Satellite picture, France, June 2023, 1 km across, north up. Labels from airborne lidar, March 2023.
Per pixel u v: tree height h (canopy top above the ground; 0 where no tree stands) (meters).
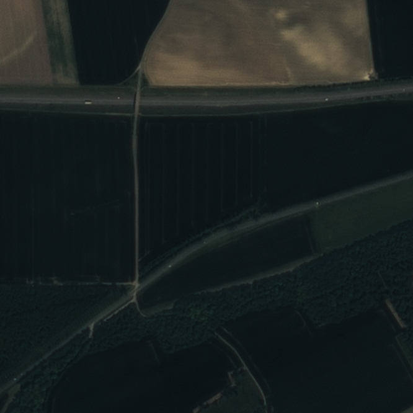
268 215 0
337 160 0
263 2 0
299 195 0
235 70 0
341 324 0
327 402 0
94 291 15
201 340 11
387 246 19
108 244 0
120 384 0
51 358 9
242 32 0
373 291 23
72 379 0
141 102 0
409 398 0
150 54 0
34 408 17
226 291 16
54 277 0
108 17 0
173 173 0
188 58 0
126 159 0
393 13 0
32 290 16
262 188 0
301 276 20
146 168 0
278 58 0
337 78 0
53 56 0
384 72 0
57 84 0
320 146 0
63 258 0
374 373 0
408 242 19
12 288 20
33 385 18
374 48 0
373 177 0
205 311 8
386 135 0
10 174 0
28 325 20
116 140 0
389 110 0
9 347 22
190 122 0
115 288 24
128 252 0
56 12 0
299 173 0
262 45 0
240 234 0
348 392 0
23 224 0
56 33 0
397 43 0
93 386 0
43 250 0
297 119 0
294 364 0
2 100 0
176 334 15
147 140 0
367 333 0
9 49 0
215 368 0
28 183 0
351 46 0
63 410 0
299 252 0
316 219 0
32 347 29
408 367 0
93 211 0
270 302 16
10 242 0
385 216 0
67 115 0
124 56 0
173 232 0
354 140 0
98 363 0
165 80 0
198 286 0
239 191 0
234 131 0
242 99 0
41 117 0
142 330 11
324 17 0
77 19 0
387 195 0
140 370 0
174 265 0
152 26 0
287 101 0
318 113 0
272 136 0
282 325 0
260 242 0
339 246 0
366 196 0
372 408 0
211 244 0
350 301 29
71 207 0
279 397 0
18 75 0
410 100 0
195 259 0
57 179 0
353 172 0
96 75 0
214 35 0
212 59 0
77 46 0
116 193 0
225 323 0
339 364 0
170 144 0
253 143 0
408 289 29
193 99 0
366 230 0
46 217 0
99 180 0
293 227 0
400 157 0
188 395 0
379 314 0
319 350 0
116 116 0
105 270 0
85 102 0
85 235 0
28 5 0
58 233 0
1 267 0
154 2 0
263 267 0
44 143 0
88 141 0
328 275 23
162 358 0
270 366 0
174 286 0
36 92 0
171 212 0
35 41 0
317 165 0
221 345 0
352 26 0
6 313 18
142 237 0
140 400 0
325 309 23
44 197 0
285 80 0
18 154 0
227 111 0
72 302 17
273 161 0
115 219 0
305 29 0
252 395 0
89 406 0
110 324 12
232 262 0
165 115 0
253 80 0
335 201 0
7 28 0
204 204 0
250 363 0
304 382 0
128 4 0
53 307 18
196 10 0
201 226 0
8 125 0
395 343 0
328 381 0
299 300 20
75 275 0
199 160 0
